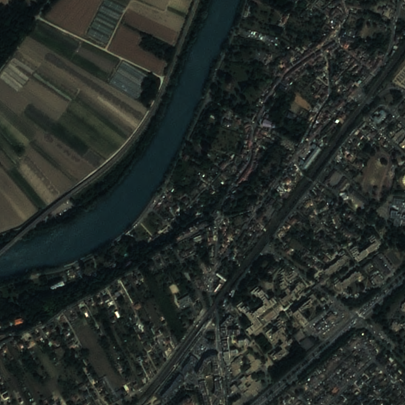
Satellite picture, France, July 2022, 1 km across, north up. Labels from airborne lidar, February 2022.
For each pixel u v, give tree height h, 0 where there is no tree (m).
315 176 0
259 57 0
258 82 10
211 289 0
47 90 0
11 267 0
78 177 0
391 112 0
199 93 0
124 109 0
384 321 9
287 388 8
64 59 0
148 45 7
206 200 6
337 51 8
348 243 14
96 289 14
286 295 0
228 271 6
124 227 0
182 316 7
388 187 0
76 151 0
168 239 14
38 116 0
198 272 17
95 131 0
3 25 11
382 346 12
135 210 0
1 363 0
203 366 0
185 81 0
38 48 0
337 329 0
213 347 0
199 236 0
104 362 0
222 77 31
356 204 0
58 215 11
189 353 0
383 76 0
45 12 11
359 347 0
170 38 0
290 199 0
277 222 0
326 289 8
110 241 12
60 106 0
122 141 0
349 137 0
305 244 10
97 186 15
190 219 19
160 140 0
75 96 0
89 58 0
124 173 8
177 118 0
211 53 0
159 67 0
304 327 0
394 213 0
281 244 7
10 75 0
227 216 13
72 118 0
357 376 0
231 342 0
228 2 0
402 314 0
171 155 0
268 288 0
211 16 0
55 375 0
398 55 0
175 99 0
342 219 8
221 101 6
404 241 7
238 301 12
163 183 10
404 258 0
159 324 0
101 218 0
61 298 22
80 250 0
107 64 0
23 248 0
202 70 0
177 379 0
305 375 10
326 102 6
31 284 14
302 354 9
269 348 10
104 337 11
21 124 0
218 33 0
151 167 0
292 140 10
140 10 0
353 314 0
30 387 0
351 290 16
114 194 0
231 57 12
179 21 0
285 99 6
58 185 0
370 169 0
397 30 6
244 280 8
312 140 0
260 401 0
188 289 14
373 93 0
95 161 0
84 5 0
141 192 0
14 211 0
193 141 7
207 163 9
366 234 13
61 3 0
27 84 0
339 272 6
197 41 0
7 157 0
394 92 11
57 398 0
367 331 11
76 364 6
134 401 7
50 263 0
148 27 0
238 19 15
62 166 0
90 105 0
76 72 0
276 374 15
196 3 0
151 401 0
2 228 0
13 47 16
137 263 12
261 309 0
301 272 12
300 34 9
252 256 0
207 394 0
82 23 0
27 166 0
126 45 0
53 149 0
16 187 0
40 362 0
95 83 0
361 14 12
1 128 0
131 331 11
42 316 20
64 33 0
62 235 0
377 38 10
